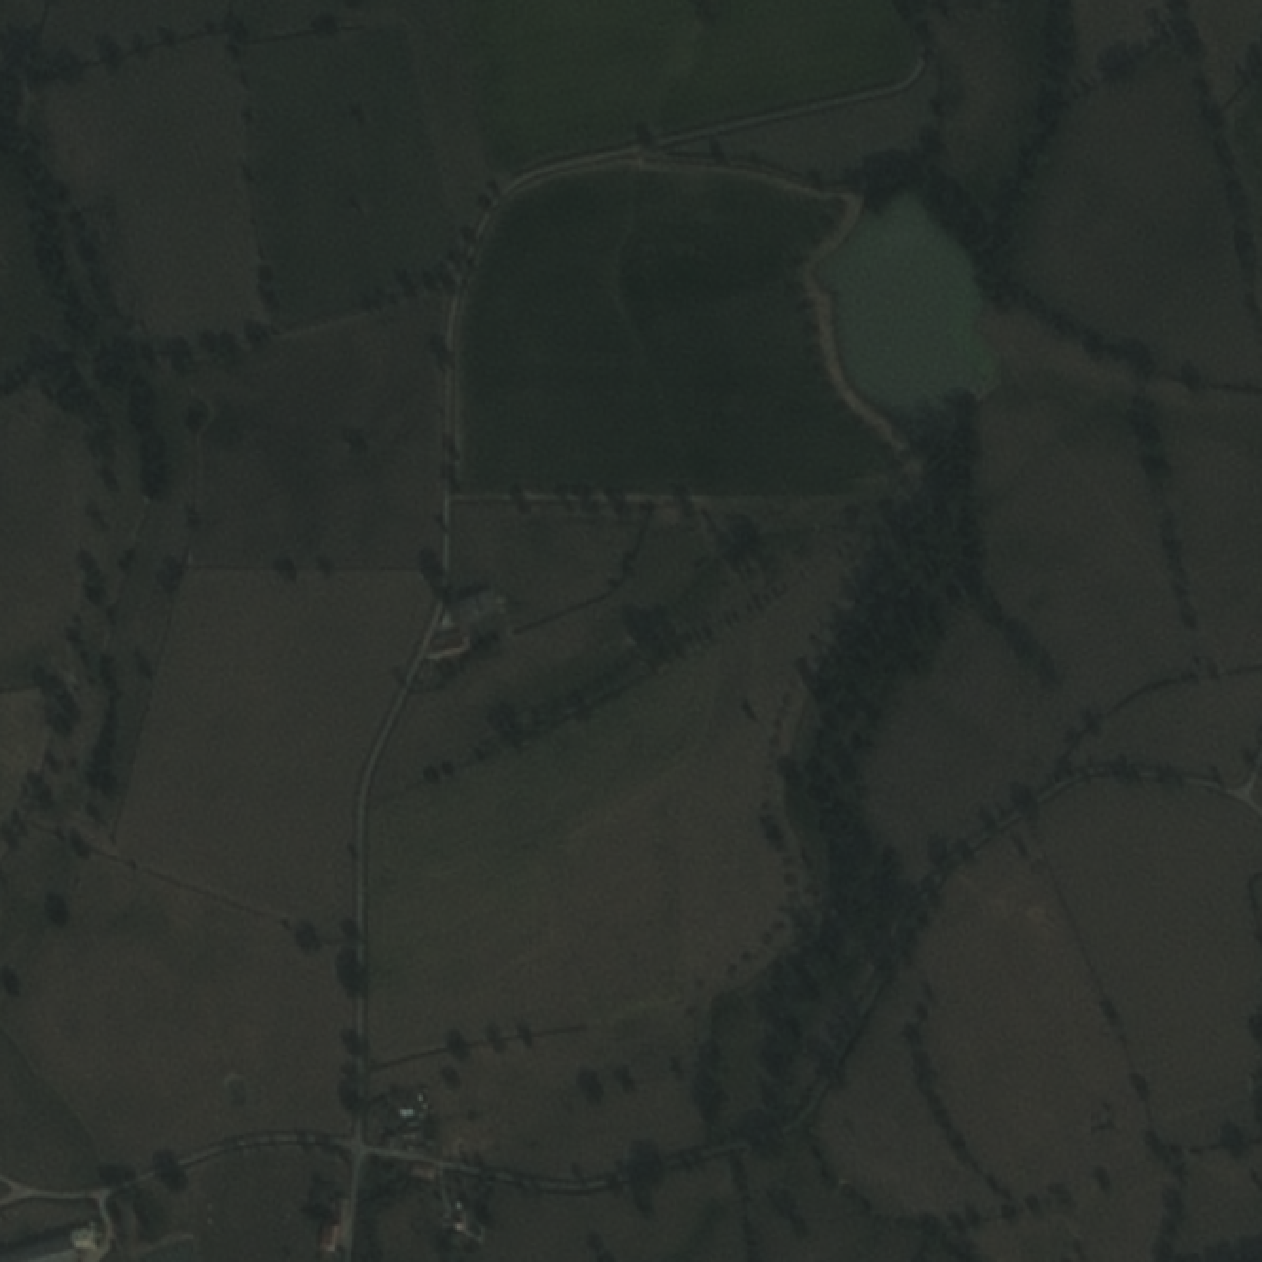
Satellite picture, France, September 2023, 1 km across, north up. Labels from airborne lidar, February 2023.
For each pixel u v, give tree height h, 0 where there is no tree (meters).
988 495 0
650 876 0
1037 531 0
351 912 0
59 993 0
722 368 0
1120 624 0
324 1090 0
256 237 0
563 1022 0
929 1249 0
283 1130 0
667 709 0
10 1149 0
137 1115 0
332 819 0
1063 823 0
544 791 0
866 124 0
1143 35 0
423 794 0
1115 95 0
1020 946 0
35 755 0
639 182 0
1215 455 0
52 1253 0
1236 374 0
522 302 0
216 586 0
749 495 0
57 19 0
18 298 0
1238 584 0
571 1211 0
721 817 0
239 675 0
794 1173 0
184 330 0
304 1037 0
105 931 0
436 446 0
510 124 0
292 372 0
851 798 0
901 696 0
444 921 0
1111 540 0
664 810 0
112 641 0
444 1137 0
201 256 0
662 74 0
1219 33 0
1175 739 0
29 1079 0
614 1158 0
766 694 0
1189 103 0
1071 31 18
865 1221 0
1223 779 12
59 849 0
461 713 0
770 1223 0
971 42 0
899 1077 0
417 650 0
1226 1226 0
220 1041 0
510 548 0
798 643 0
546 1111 0
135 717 0
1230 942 0
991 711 0
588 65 0
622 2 0
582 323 0
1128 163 0
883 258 0
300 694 0
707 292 0
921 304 0
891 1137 0
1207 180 0
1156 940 0
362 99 0
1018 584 0
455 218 0
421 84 0
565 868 0
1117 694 0
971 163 0
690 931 0
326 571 10
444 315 0
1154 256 0
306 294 0
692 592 0
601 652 0
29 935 0
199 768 0
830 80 0
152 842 0
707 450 0
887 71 0
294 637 0
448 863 0
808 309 0
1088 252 0
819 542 0
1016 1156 0
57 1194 0
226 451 0
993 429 0
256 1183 0
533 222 0
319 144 0
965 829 0
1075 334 18
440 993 0
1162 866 0
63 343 0
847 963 0
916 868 0
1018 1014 0
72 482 0
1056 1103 0
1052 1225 0
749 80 0
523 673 0
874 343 0
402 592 0
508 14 0
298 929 0
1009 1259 0
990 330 0
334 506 0
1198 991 0
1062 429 0
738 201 0
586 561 0
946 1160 0
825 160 0
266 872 0
